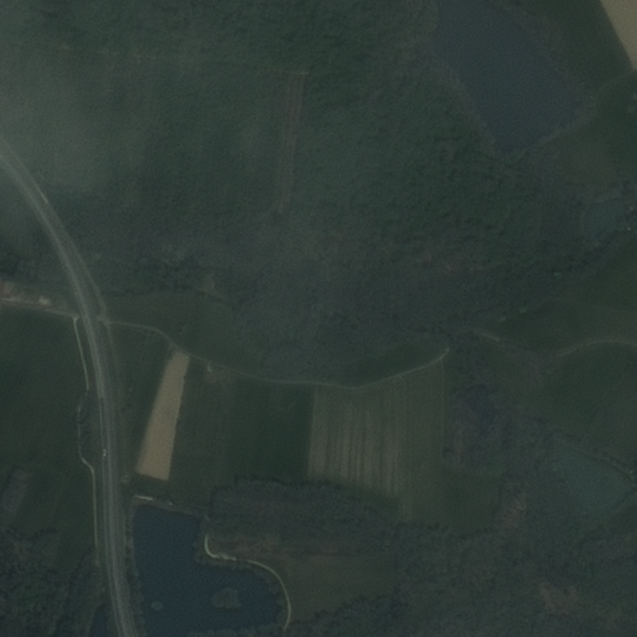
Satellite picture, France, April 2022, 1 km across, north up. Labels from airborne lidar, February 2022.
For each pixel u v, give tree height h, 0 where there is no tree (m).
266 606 0
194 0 27
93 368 0
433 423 0
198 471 0
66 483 0
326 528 22
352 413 0
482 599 16
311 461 0
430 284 25
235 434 0
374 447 0
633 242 0
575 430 0
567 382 0
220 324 0
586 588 20
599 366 0
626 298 0
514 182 24
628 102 0
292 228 18
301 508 26
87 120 15
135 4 26
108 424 0
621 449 0
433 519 0
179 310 0
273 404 0
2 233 0
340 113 28
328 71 24
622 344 0
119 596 0
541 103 0
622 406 0
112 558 0
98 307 0
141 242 15
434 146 24
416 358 0
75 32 21
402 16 26
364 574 0
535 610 7
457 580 22
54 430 0
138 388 0
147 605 0
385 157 25
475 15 0
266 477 0
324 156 26
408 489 0
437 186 20
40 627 19
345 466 0
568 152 0
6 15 26
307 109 15
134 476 0
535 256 27
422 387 0
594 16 0
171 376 0
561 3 0
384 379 0
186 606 0
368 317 29
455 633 19
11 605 16
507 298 23
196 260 21
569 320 0
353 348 24
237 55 24
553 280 20
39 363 0
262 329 18
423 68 22
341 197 24
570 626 18
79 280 0
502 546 27
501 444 22
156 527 0
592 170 0
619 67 0
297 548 0
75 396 0
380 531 24
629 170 0
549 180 22
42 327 0
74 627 19
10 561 22
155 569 0
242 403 0
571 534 26
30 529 0
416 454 0
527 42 0
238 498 21
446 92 24
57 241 0
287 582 0
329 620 22
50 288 16
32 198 0
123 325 0
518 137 0
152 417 0
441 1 0
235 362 0
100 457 0
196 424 0
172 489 0
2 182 23
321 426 0
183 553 0
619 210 0
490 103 0
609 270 0
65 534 0
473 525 0
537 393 0
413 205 26
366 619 25
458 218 26
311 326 25
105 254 23
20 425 0
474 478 0
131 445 0
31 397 0
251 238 19
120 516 0
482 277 21
